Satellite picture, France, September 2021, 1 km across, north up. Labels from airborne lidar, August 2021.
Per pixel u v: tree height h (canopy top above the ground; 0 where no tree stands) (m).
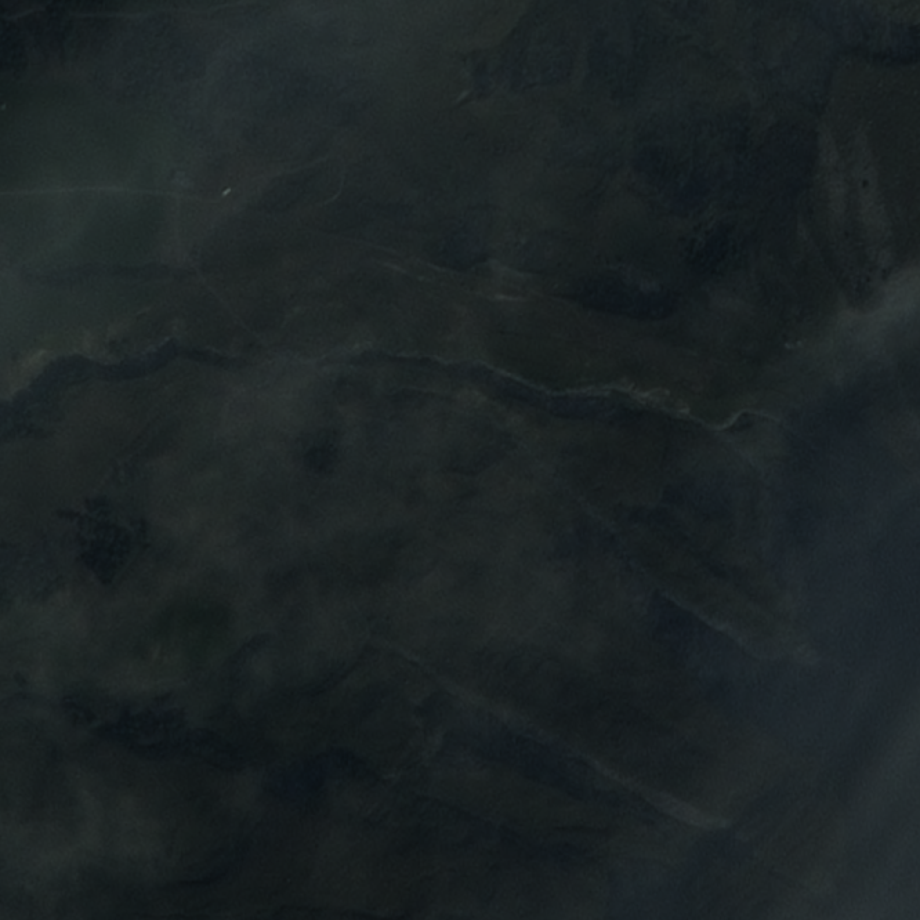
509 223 0
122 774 0
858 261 0
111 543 7
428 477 0
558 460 0
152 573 0
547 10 0
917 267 0
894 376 0
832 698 0
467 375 0
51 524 0
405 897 0
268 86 9
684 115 0
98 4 7
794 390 0
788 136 0
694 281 0
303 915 0
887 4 0
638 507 0
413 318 0
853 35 0
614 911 0
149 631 0
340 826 0
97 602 0
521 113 0
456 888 0
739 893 0
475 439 0
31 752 0
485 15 0
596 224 0
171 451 0
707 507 0
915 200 0
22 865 0
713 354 0
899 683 0
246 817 0
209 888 0
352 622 0
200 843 0
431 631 0
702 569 0
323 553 0
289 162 0
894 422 0
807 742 0
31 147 0
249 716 0
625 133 0
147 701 0
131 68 7
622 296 0
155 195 0
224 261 0
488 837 0
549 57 0
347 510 0
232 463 0
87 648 0
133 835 0
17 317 0
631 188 0
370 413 0
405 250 0
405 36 0
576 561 0
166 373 0
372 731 0
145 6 0
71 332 0
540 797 0
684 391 0
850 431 0
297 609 0
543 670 0
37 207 0
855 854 0
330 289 0
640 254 0
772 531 0
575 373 0
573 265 0
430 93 0
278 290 0
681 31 0
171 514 0
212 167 0
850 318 0
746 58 0
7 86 0
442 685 0
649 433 0
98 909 0
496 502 0
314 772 0
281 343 0
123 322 0
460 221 0
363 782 0
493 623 0
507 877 0
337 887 0
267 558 0
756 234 0
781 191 0
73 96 0
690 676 0
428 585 0
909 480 0
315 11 0
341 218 0
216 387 0
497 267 0
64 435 0
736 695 0
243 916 0
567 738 0
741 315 0
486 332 0
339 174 0
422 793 0
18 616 0
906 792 0
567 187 0
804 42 0
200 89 7
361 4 0
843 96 0
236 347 0
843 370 0
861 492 0
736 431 0
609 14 0
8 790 0
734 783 0
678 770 0
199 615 0
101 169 0
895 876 0
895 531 0
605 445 0
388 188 0
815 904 0
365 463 0
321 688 0
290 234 0
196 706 0
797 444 0
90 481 0
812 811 0
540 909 0
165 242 0
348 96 0
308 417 0
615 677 0
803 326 0
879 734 0
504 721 0
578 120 0
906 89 0
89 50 0
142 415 0
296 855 0
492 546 0
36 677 0
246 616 0
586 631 0
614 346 0
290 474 0
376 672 0
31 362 0
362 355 0
